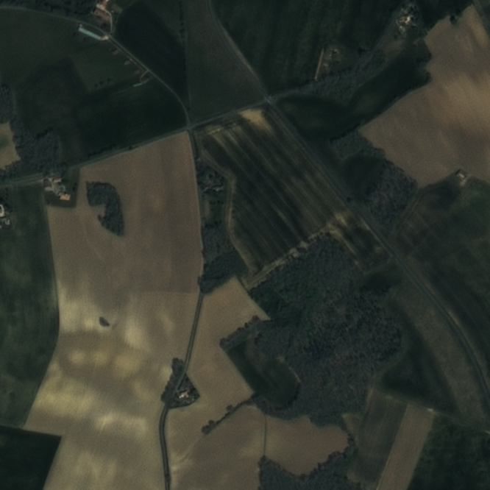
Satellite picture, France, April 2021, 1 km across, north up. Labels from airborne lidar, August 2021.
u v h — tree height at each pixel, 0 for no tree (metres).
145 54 0
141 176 0
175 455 0
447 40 0
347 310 22
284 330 18
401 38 16
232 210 0
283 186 0
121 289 0
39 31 0
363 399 18
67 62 0
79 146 0
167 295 0
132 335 0
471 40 0
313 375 20
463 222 0
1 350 0
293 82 0
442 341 0
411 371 0
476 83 0
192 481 0
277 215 0
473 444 0
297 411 23
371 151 16
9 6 9
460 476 0
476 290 0
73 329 0
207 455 0
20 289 0
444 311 0
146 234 0
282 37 0
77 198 0
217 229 16
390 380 0
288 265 17
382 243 0
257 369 0
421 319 0
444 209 0
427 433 0
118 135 0
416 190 19
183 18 7
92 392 0
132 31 0
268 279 9
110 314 0
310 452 0
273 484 18
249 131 0
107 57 0
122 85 0
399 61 0
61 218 0
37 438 0
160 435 0
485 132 0
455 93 0
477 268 0
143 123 0
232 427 0
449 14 0
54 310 0
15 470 0
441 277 0
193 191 0
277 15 0
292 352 20
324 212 0
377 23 0
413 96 0
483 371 0
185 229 0
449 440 0
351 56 0
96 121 0
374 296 20
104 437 0
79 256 0
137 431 0
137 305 0
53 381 0
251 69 0
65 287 0
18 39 0
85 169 0
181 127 0
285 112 0
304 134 0
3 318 0
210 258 19
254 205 0
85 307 0
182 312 0
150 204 0
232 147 0
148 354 0
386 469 0
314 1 0
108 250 0
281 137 0
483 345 0
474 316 0
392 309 0
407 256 0
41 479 0
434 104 0
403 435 0
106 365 0
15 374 0
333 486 25
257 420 0
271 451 0
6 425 0
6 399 0
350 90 15
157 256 0
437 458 0
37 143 12
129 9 0
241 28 0
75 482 0
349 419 0
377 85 0
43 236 0
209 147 0
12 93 16
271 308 7
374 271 0
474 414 0
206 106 0
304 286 22
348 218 0
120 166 0
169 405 15
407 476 0
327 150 0
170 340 0
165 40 0
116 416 0
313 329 23
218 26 0
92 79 0
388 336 22
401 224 0
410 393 0
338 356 19
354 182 0
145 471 0
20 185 0
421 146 0
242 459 0
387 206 10
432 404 0
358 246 0
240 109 0
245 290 0
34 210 0
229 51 0
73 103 0
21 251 0
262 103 0
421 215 0
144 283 0
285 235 0
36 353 0
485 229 0
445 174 0
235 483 0
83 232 0
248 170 0
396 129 0
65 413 0
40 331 0
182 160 0
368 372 17
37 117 0
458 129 0
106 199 17
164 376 0
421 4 0
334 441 0
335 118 0
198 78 0
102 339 0
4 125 13
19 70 0
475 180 0
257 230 0
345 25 0
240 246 0
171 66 0
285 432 0
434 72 0
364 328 20
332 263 23
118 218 18
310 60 0
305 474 0
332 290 23
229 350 10
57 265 0
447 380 0
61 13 15
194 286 0
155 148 0
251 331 15
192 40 0
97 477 0
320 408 22
